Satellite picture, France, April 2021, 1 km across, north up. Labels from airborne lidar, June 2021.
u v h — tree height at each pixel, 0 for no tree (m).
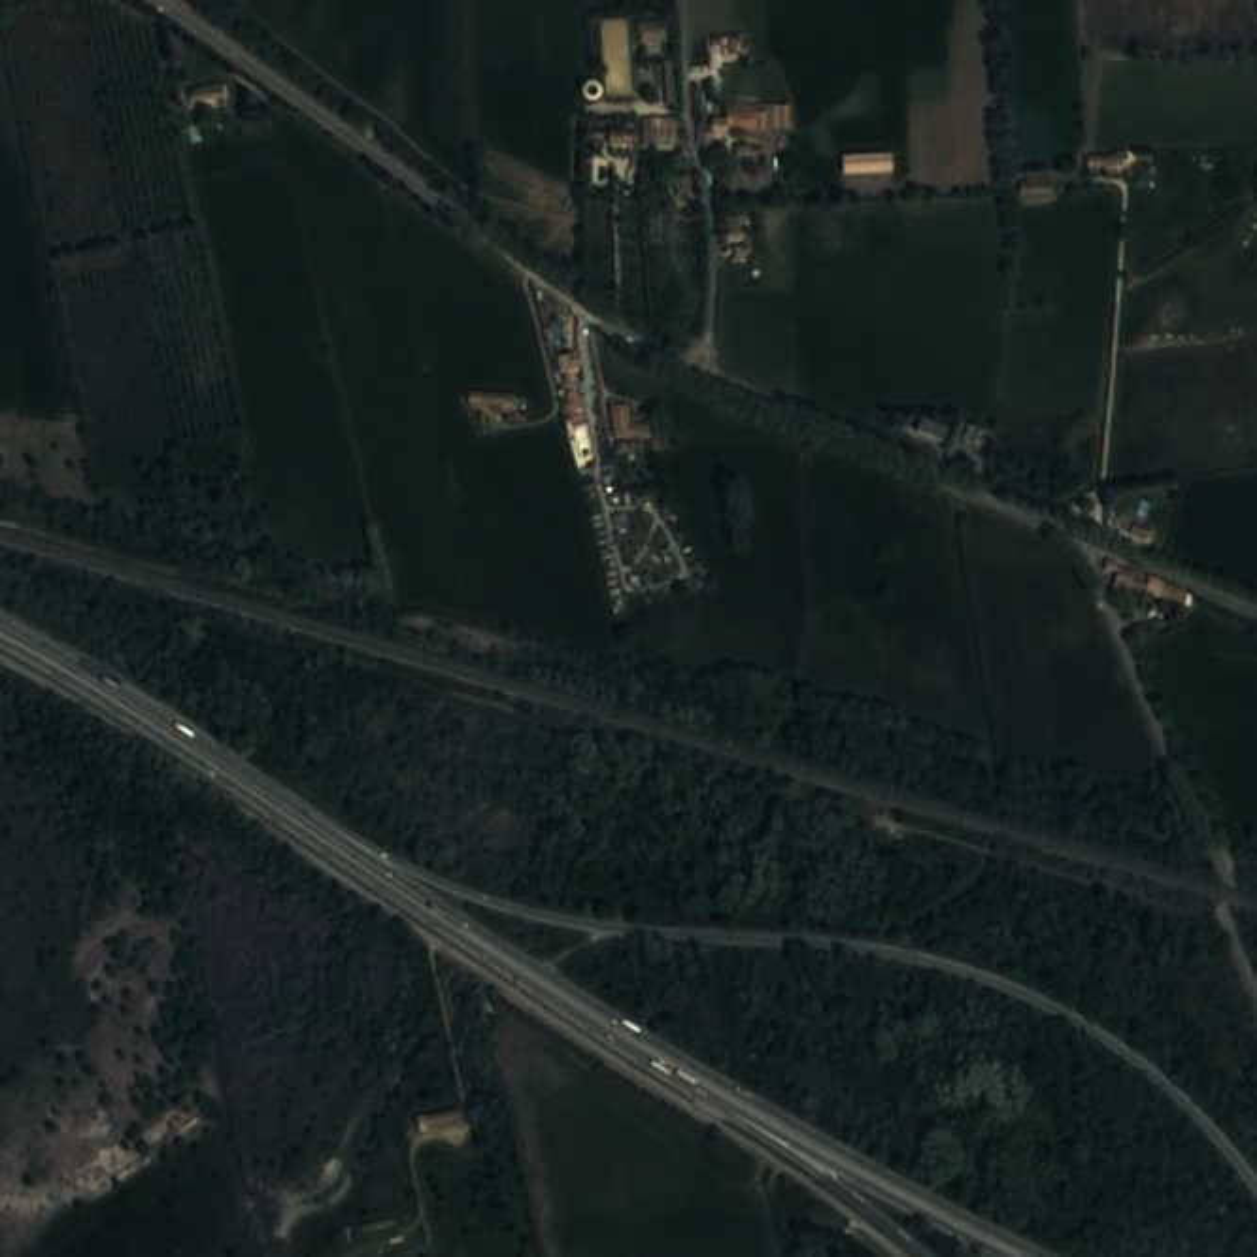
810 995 8
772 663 0
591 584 0
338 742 10
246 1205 0
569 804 19
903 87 0
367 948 6
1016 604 0
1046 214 0
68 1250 0
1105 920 6
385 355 0
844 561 0
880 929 12
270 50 10
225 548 8
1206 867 13
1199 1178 18
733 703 17
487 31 0
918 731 18
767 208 14
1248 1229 14
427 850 16
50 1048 8
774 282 0
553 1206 0
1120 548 17
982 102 0
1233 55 13
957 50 0
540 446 0
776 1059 10
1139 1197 18
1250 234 0
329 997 8
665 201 13
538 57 0
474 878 0
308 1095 0
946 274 0
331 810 0
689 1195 0
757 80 0
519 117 0
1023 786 12
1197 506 0
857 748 21
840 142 0
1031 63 0
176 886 11
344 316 0
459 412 0
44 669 0
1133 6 0
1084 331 0
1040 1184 20
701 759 15
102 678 0
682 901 13
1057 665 0
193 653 9
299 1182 0
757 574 0
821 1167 0
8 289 0
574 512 0
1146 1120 18
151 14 14
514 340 0
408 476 0
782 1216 0
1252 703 0
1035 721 0
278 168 0
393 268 0
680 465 0
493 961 0
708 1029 7
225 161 0
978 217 0
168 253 6
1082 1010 12
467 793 7
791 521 0
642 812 9
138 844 11
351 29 0
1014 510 17
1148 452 0
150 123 6
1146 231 0
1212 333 0
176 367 6
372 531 14
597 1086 0
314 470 0
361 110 6
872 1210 0
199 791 15
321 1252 0
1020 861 14
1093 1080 16
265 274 0
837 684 0
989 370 0
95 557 0
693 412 0
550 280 22
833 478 0
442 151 0
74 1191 0
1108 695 0
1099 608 0
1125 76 0
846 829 15
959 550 0
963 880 15
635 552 6
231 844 8
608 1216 0
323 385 0
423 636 15
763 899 22
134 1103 8
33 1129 0
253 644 10
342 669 10
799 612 0
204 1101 13
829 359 0
